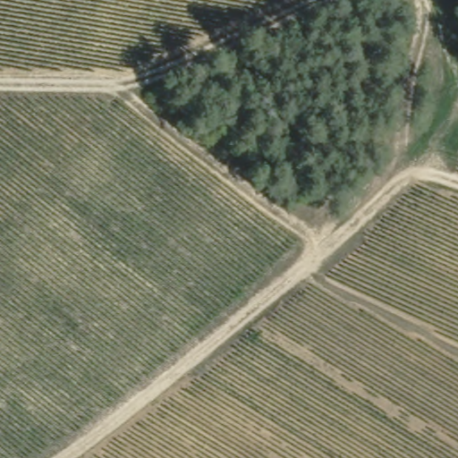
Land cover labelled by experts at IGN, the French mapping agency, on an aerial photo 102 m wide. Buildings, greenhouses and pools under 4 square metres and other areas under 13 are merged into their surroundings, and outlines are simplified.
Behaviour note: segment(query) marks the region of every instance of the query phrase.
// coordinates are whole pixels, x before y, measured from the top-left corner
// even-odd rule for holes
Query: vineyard
[[[61,449],[72,444],[75,438],[81,437],[82,429],[88,424],[106,417],[111,408],[116,408],[138,390],[147,388],[157,374],[161,374],[166,367],[175,365],[191,347],[195,347],[206,336],[211,335],[216,327],[222,326],[225,320],[229,320],[231,315],[243,308],[256,293],[267,288],[277,277],[283,276],[297,259],[301,258],[304,243],[299,236],[267,218],[233,190],[234,184],[240,179],[233,177],[227,166],[216,161],[216,157],[211,156],[206,148],[200,147],[197,141],[190,140],[188,136],[177,131],[172,123],[157,118],[154,109],[148,107],[145,113],[136,114],[111,93],[0,91],[0,458],[59,458],[57,454],[61,453]]]
[[[388,200],[385,208],[379,209],[377,215],[361,227],[358,233],[352,234],[340,249],[324,259],[317,272],[302,279],[292,290],[288,290],[277,301],[272,302],[267,310],[261,311],[258,317],[252,318],[236,335],[218,345],[215,351],[200,361],[199,365],[182,374],[177,381],[157,395],[156,399],[152,399],[141,410],[136,411],[131,419],[125,420],[114,429],[111,435],[89,447],[88,453],[82,458],[458,458],[458,190],[438,182],[420,181],[415,186],[408,186],[399,191],[395,197]]]
[[[256,0],[0,0],[0,70],[13,68],[30,72],[34,68],[41,68],[59,72],[64,68],[70,68],[91,72],[95,68],[100,68],[122,72],[123,68],[127,68],[122,63],[123,50],[138,45],[140,36],[148,39],[150,45],[161,43],[161,39],[154,32],[156,21],[186,27],[190,30],[191,38],[195,38],[202,36],[204,30],[200,29],[199,21],[193,20],[188,14],[188,5],[252,7]]]

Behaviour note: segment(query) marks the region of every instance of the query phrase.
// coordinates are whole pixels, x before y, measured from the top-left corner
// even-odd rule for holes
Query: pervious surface
[[[197,64],[206,66],[208,63],[215,63],[218,57],[227,52],[234,52],[236,48],[242,47],[242,38],[252,38],[256,29],[263,29],[265,34],[274,36],[276,32],[290,29],[292,21],[302,20],[311,9],[326,7],[336,2],[340,4],[340,0],[256,0],[252,7],[188,5],[188,14],[193,20],[199,21],[200,29],[204,30],[202,36],[195,38],[191,38],[190,30],[186,27],[156,21],[154,32],[161,39],[161,43],[150,45],[148,39],[140,36],[138,45],[123,50],[122,63],[127,68],[123,68],[122,72],[100,68],[95,68],[91,72],[70,68],[64,68],[59,72],[41,68],[34,68],[30,72],[13,68],[0,70],[0,91],[111,93],[136,114],[145,113],[148,107],[145,100],[140,97],[140,88],[150,82],[163,81],[166,84],[168,79],[179,77],[182,72],[195,68]]]
[[[304,220],[293,215],[277,204],[270,204],[261,193],[250,186],[249,182],[240,179],[234,184],[233,190],[267,218],[299,236],[304,243],[301,258],[297,259],[283,276],[277,277],[267,288],[256,293],[243,308],[231,315],[229,320],[225,320],[222,326],[216,327],[211,335],[206,336],[195,347],[191,347],[175,365],[166,367],[161,374],[157,374],[147,388],[138,390],[116,408],[111,408],[106,417],[88,424],[82,429],[81,437],[75,438],[72,444],[61,449],[61,453],[57,454],[59,458],[82,458],[88,453],[89,447],[111,435],[114,429],[125,420],[131,419],[136,411],[141,410],[152,399],[156,399],[157,395],[177,381],[182,374],[199,365],[200,361],[215,351],[218,345],[236,335],[252,318],[258,317],[261,311],[267,310],[272,302],[277,301],[288,290],[292,290],[302,279],[317,272],[324,259],[340,249],[352,234],[358,233],[361,227],[377,215],[379,209],[385,208],[388,200],[395,197],[399,191],[408,186],[415,186],[420,181],[438,182],[458,190],[458,174],[424,165],[408,166],[403,172],[385,182],[383,188],[374,193],[342,227],[338,227],[335,222],[327,222],[322,227],[310,227]]]
[[[431,0],[413,0],[415,32],[411,36],[408,57],[415,66],[420,66],[422,61],[426,41],[433,34],[429,23],[429,14],[433,7]]]

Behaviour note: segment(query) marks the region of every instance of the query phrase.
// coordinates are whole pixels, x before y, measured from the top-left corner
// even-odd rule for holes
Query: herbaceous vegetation
[[[403,172],[408,166],[424,165],[458,174],[458,0],[431,0],[433,7],[429,14],[429,23],[433,34],[426,41],[422,61],[428,63],[426,75],[417,79],[417,86],[424,89],[422,104],[419,109],[410,106],[404,111],[404,122],[410,125],[411,141],[408,148],[392,148],[390,163],[381,168],[381,174],[363,182],[358,190],[340,191],[340,215],[336,218],[333,218],[329,209],[324,206],[304,206],[297,209],[293,215],[304,220],[310,227],[322,227],[327,222],[335,222],[338,227],[342,227],[374,193],[383,188],[385,182]]]
[[[174,98],[177,97],[177,93],[172,88],[166,88],[166,84],[163,81],[150,82],[140,88],[140,97],[145,100],[148,107],[154,109],[157,118],[172,123],[175,120]]]

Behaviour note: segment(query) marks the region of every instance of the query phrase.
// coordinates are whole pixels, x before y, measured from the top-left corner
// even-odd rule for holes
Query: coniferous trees
[[[218,57],[215,63],[208,63],[206,66],[197,64],[195,68],[182,72],[179,77],[168,79],[166,84],[166,88],[172,88],[177,93],[177,97],[174,98],[175,120],[172,123],[177,131],[188,136],[190,140],[197,141],[200,147],[206,148],[211,156],[216,157],[216,161],[227,166],[233,177],[240,179],[249,182],[250,186],[261,193],[270,204],[277,204],[293,215],[297,209],[304,206],[324,206],[329,209],[333,218],[336,218],[340,215],[340,191],[358,190],[363,182],[381,174],[381,168],[390,163],[392,148],[408,148],[411,141],[410,125],[404,122],[404,111],[410,106],[419,109],[422,104],[424,89],[417,86],[417,79],[426,75],[428,63],[422,61],[420,66],[415,66],[408,57],[411,36],[415,32],[413,0],[340,0],[340,4],[336,2],[326,7],[311,9],[302,20],[292,21],[290,29],[276,32],[274,36],[265,34],[263,29],[256,29],[252,38],[242,38],[242,47],[236,48],[234,52],[227,52]]]

